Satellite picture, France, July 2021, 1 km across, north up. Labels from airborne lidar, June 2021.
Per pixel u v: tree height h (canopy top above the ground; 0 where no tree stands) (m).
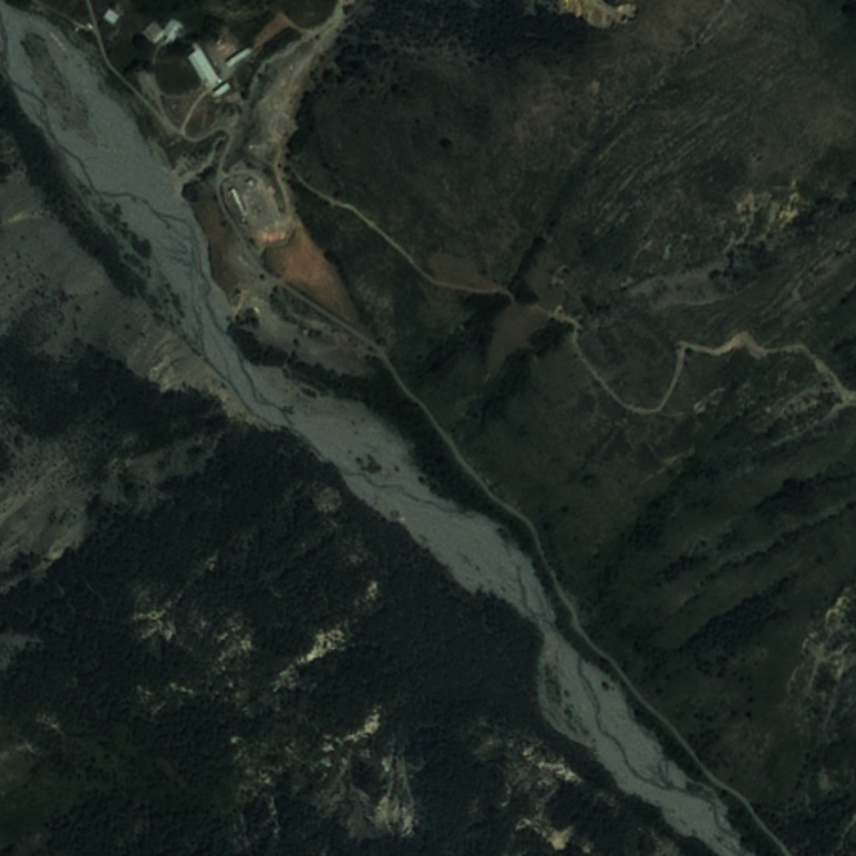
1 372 11
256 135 0
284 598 7
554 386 0
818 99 0
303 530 8
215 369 0
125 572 12
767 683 0
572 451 0
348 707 9
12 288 0
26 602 17
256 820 12
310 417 0
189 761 8
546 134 0
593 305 11
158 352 0
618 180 0
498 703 10
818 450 0
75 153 0
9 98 6
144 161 0
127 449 8
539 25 12
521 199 0
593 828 13
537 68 0
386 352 0
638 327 0
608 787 7
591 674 0
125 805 13
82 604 19
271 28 0
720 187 0
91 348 12
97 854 11
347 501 7
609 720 0
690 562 10
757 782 0
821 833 10
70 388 11
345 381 6
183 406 16
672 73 0
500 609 12
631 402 0
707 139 0
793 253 0
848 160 0
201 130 0
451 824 10
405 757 7
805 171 0
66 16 0
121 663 11
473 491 7
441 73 0
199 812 13
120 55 0
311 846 11
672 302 0
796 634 0
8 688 8
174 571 12
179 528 14
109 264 7
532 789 7
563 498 0
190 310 0
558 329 7
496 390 6
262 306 0
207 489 14
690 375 0
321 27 0
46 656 18
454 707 16
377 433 0
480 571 0
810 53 0
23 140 10
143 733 11
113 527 8
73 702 9
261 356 9
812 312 0
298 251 0
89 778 7
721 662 8
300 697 7
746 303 0
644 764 0
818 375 0
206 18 7
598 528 0
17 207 0
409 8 6
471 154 0
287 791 8
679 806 0
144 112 0
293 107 0
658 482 0
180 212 0
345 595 10
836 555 0
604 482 0
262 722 10
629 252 0
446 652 10
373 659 9
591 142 0
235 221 0
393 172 0
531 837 7
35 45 0
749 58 0
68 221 9
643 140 0
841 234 0
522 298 14
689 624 0
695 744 7
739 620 12
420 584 10
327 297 0
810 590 0
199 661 5
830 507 0
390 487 0
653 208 0
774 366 0
